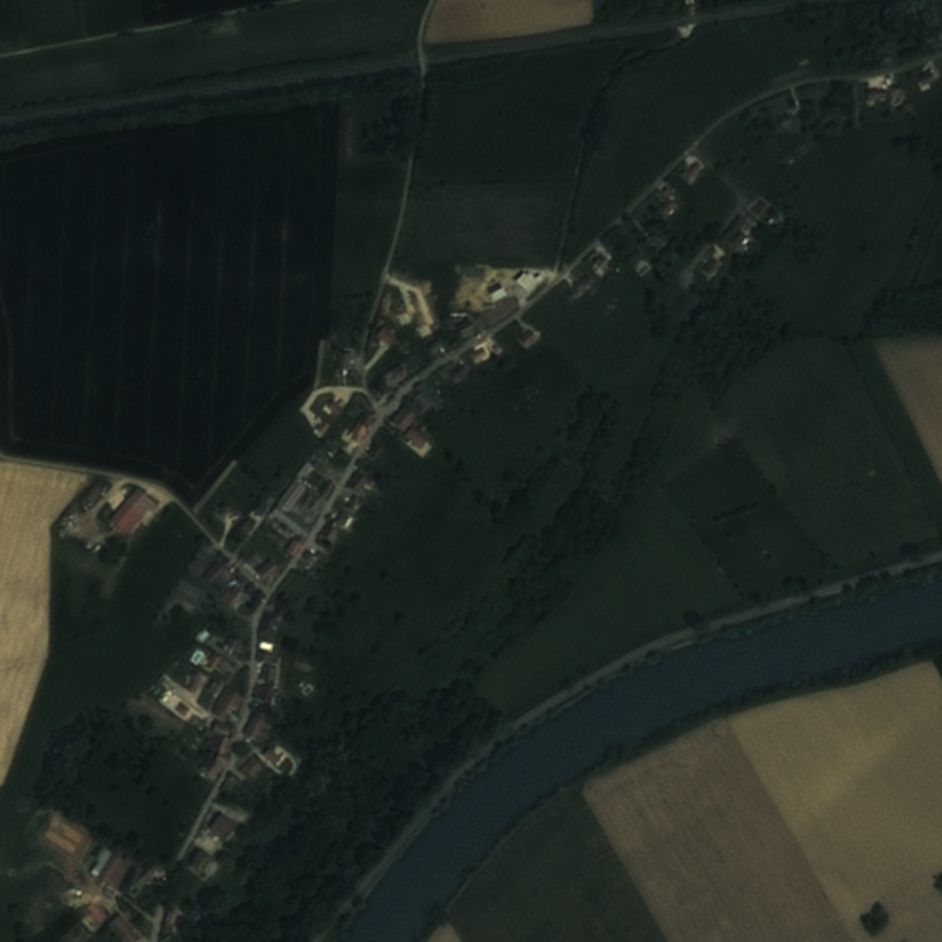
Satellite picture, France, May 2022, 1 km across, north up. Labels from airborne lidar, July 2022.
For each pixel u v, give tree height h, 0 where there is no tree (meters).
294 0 0
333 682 0
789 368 0
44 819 0
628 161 0
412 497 0
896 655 8
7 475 0
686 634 0
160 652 0
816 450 0
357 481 0
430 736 12
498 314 0
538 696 0
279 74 12
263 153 0
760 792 0
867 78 0
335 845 31
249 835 15
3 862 0
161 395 0
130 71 0
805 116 17
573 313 0
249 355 0
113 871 0
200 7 0
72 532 0
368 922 0
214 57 0
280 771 0
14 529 0
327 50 0
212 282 0
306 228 0
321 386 0
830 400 0
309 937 24
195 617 0
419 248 0
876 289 0
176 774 0
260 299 0
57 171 0
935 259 0
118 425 0
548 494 0
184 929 22
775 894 0
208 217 0
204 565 0
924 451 0
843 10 15
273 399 0
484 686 0
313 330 0
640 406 0
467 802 0
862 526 0
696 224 0
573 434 11
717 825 0
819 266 0
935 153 13
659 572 0
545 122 0
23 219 0
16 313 0
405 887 0
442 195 0
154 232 0
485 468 0
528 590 22
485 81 8
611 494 20
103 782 0
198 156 0
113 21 0
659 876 0
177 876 22
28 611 0
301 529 0
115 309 0
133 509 0
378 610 0
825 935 0
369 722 22
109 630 0
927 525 0
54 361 0
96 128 19
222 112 17
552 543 24
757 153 0
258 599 9
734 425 0
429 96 18
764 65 0
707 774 0
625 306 0
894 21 24
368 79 13
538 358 0
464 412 7
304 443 0
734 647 0
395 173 0
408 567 0
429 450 0
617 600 0
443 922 14
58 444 0
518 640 21
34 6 0
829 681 10
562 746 0
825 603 8
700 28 7
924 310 15
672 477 0
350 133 0
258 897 27
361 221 0
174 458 0
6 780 0
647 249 8
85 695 0
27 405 0
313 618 7
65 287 0
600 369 0
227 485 0
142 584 0
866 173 0
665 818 0
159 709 0
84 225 0
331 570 7
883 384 0
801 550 0
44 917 0
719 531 0
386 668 0
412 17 0
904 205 0
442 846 0
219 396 0
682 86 0
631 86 0
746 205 0
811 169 0
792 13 15
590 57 0
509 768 0
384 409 0
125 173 0
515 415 0
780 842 0
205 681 0
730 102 0
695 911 0
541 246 0
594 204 0
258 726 0
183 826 7
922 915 0
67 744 31
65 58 0
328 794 26
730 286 24
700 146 0
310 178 0
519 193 0
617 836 0
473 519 0
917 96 0
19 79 0
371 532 0
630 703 0
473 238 0
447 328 10
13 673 0
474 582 0
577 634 0
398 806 26
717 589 0
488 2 0
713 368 18
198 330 0
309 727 10
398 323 0
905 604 0
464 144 0
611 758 10
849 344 10
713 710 7
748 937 0
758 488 0
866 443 0
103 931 9
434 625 0
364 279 0
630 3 14
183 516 0
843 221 0
